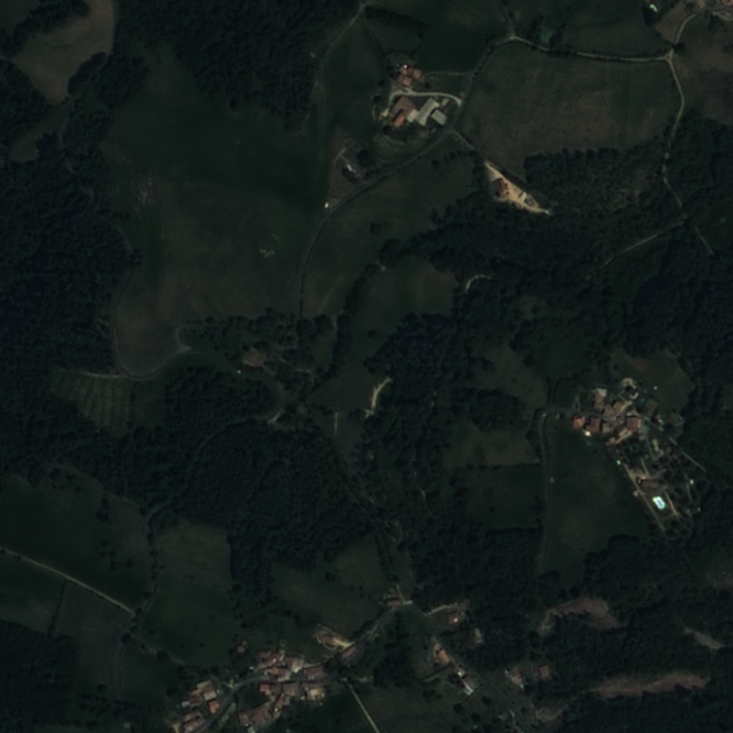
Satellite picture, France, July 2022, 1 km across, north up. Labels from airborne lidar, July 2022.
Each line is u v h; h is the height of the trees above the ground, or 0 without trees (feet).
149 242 0
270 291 0
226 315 0
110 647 0
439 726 0
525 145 0
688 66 0
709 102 0
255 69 30
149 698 0
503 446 0
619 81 0
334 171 0
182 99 0
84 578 0
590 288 55
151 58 0
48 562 0
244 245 0
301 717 19
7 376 76
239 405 73
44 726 42
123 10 24
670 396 0
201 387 47
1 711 66
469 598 25
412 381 23
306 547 30
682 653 55
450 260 69
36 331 59
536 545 50
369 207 0
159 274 0
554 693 60
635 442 40
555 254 52
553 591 57
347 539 35
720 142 56
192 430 69
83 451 60
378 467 71
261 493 70
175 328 0
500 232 67
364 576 0
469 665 28
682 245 80
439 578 44
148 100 0
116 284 53
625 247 56
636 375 0
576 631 73
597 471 0
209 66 49
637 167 34
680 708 57
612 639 63
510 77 0
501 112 0
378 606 0
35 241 49
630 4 0
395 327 0
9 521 0
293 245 0
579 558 0
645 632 81
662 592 45
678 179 34
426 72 0
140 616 37
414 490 28
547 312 0
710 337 98
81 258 95
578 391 18
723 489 58
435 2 0
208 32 47
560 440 0
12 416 76
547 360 0
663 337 62
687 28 0
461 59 0
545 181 46
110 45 0
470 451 0
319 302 0
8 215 56
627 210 25
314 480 41
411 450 62
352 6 55
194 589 0
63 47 0
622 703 30
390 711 0
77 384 0
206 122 0
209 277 0
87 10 75
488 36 19
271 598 25
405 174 0
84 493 24
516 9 0
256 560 58
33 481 56
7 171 46
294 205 0
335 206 0
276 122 0
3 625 52
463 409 56
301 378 67
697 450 53
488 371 76
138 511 0
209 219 0
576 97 0
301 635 0
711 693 38
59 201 71
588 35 0
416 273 0
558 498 0
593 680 47
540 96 0
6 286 52
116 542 0
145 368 0
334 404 0
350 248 0
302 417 51
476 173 39
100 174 31
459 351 28
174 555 0
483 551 64
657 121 0
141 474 54
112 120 29
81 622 0
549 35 0
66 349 83
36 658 55
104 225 70
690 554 63
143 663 0
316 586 0
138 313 0
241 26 38
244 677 43
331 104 0
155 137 0
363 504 31
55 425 52
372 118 0
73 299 44
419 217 0
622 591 65
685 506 46
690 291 65
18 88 70
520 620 68
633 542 63
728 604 67
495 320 71
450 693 0
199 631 0
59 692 58
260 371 29
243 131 0
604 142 0
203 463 44
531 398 0
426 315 0
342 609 0
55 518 0
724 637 51
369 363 31
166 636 0
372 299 0
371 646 30
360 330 0
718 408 49
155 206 0
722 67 0
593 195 52
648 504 0
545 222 62
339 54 0
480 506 0
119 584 0
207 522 52
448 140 0
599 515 0
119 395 0
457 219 70
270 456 28
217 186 0
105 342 74
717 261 61
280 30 36
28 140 0
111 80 31
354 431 0
